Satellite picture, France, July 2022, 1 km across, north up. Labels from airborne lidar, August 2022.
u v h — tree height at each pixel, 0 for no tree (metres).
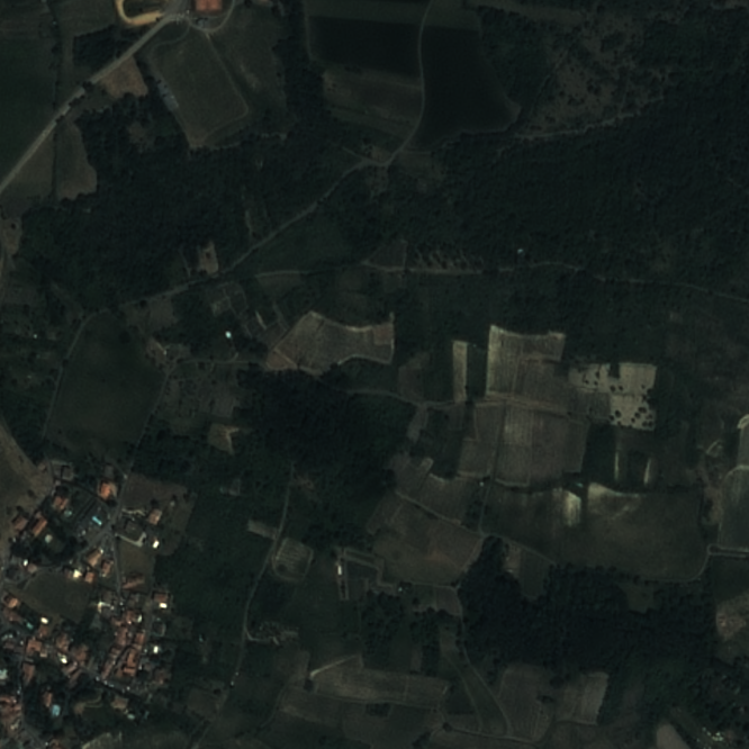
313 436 15
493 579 13
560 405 0
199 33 0
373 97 0
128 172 10
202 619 7
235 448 9
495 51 8
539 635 15
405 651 0
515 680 0
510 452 0
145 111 5
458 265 9
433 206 10
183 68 0
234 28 0
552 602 19
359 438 11
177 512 0
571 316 8
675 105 8
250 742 0
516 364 0
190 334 5
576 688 0
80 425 0
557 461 0
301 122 7
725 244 10
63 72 0
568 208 9
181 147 10
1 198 0
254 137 7
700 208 8
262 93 0
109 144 7
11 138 0
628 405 0
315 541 8
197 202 7
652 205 9
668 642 15
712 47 7
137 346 0
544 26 6
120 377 0
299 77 12
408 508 0
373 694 0
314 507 8
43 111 0
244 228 9
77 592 0
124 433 0
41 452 9
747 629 0
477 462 0
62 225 8
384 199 13
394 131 0
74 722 9
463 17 0
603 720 6
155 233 10
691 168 14
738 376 0
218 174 9
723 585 0
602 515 0
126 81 0
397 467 0
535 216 11
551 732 0
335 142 7
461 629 9
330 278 6
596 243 7
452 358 0
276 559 0
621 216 10
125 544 0
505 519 0
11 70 0
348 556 0
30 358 7
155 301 0
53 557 7
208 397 0
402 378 0
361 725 0
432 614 11
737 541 0
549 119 6
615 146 14
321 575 0
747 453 0
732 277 6
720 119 12
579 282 10
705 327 0
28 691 11
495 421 0
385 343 0
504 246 7
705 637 13
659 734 0
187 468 20
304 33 8
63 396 0
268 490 9
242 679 0
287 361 0
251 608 6
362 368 8
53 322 6
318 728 0
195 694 0
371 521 0
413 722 0
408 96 0
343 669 0
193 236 12
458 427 0
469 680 0
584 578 14
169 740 0
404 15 0
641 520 0
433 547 0
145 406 0
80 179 0
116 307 8
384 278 0
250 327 0
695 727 0
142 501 0
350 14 0
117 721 8
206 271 8
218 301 0
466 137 10
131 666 0
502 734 0
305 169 7
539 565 0
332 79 0
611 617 20
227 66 0
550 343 0
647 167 11
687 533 0
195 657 7
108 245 10
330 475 15
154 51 0
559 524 0
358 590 0
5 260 0
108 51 8
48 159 0
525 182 8
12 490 0
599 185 10
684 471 0
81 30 0
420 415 0
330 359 0
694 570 0
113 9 0
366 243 7
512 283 7
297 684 0
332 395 16
